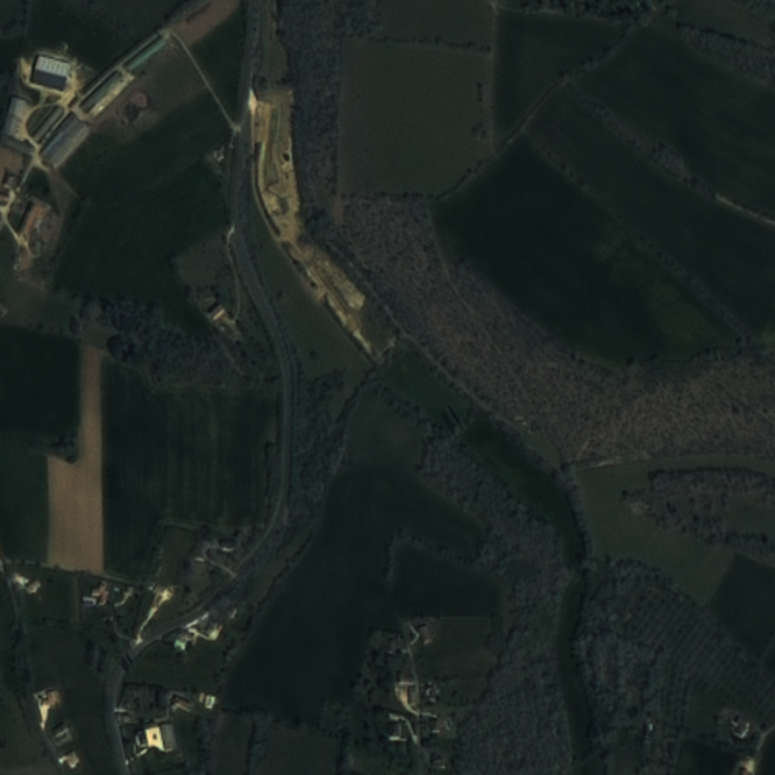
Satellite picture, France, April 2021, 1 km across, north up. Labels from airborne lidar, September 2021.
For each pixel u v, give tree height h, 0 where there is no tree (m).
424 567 0
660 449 8
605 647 14
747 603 0
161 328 17
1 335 0
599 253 0
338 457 15
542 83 0
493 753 23
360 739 0
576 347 0
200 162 0
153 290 0
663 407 6
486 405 17
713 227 0
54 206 0
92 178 0
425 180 0
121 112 0
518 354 9
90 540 0
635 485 0
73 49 0
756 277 0
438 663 0
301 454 17
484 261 0
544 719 21
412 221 11
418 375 0
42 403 0
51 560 0
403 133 0
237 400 0
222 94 0
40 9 0
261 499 0
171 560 0
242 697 0
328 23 14
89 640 0
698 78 0
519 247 0
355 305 0
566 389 8
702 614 13
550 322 0
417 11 0
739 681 6
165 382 19
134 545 0
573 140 0
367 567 0
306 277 9
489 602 0
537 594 17
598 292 0
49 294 0
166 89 0
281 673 0
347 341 0
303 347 0
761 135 0
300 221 0
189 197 0
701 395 0
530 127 0
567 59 0
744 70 12
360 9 10
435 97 0
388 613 0
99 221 0
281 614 0
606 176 0
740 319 0
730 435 10
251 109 0
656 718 11
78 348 0
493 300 15
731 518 0
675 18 11
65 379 0
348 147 0
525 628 19
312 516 16
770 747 0
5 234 0
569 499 11
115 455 0
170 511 0
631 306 0
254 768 11
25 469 0
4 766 0
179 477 0
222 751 0
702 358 10
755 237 0
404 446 0
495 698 21
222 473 0
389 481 0
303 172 16
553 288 0
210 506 0
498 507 17
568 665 0
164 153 0
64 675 0
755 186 0
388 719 6
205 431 0
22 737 0
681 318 0
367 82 0
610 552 0
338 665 0
